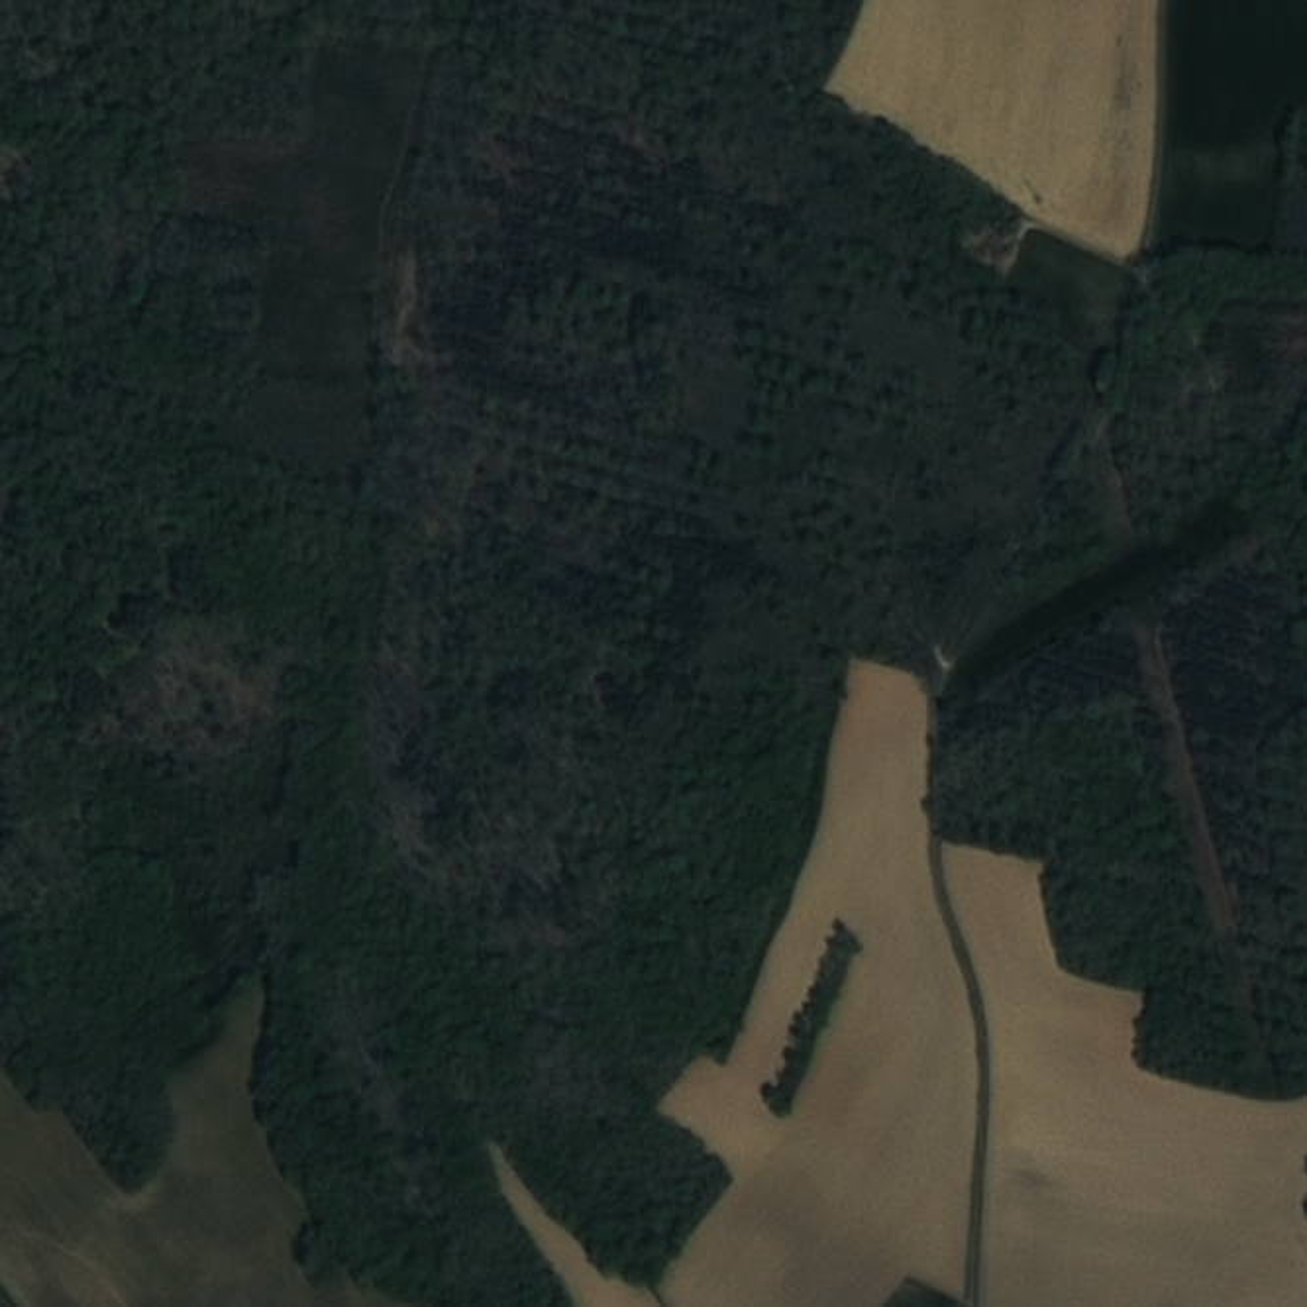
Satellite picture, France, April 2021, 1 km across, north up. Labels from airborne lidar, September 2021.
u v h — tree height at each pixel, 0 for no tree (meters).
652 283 9
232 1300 0
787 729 17
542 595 14
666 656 11
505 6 14
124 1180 13
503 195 10
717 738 12
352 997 17
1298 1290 0
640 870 20
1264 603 11
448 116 20
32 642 16
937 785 16
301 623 18
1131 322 17
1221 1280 0
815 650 10
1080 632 8
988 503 13
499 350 8
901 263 13
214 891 6
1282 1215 0
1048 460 8
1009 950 0
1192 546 0
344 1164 23
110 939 20
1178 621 11
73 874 15
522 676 12
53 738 18
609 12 8
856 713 0
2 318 13
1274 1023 8
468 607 21
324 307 6
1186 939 18
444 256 15
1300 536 19
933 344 10
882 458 12
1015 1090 0
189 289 20
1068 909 16
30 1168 0
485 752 14
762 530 14
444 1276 19
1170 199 0
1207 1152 0
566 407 11
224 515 23
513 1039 15
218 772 7
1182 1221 0
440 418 12
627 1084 16
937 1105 0
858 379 12
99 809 18
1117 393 18
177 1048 13
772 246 9
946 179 15
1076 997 0
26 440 21
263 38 17
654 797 14
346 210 8
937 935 0
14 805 14
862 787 0
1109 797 20
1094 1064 0
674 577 8
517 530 7
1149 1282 0
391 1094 17
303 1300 0
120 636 19
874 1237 0
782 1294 0
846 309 10
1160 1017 14
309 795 20
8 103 23
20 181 22
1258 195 0
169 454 15
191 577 24
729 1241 0
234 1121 0
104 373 19
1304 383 17
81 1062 17
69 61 11
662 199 9
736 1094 0
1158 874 15
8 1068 8
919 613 12
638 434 21
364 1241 24
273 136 14
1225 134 0
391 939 30
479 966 17
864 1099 0
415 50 9
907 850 0
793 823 20
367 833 19
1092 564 17
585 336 15
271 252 8
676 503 15
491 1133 22
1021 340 19
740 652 14
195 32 19
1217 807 7
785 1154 0
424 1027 21
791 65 11
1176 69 0
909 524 13
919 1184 0
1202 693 10
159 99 22
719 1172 15
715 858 20
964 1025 0
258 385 13
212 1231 0
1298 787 19
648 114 8
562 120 14
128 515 24
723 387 13
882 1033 0
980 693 16
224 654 16
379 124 9
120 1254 0
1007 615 18
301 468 17
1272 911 8
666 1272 7
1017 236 10
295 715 15
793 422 13
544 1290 22
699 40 7
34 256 19
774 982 0
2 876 18
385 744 11
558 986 19
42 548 22
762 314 9
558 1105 17
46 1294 0
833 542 10
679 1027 20
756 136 12
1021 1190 0
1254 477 19
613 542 14
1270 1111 0
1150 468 13
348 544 23
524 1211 0
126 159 20
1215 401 18
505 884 21
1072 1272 0
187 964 20
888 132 17
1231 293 23
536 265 10
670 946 20
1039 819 14
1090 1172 0
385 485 21
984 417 9
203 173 7
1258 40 0
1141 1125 0
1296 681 9
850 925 0
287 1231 0
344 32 21
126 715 12
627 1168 16
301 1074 22
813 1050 16
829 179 14
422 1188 18
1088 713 21
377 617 17
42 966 18
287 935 19
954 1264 0
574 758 17
